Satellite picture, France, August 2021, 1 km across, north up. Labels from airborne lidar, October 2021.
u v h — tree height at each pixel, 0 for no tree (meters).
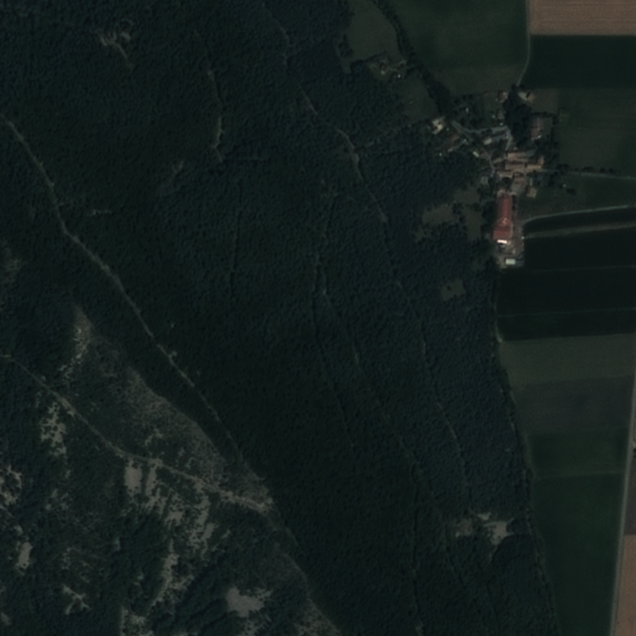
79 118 23
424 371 18
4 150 21
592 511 0
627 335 0
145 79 19
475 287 13
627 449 0
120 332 11
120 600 9
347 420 13
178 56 20
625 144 0
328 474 15
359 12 0
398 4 0
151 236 15
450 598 16
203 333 24
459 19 0
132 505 7
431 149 12
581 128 0
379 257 21
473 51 0
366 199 10
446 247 15
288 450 15
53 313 12
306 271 22
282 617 9
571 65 0
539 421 0
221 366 14
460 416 15
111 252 11
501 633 10
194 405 13
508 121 14
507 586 20
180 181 25
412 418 16
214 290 19
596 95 0
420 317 22
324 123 24
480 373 21
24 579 12
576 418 0
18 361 16
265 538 7
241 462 7
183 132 17
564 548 0
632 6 0
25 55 15
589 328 0
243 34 15
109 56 11
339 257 18
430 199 12
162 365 14
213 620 22
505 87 0
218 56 16
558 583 0
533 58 0
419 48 0
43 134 14
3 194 13
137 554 24
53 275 10
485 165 7
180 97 17
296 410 16
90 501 7
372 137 17
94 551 8
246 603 0
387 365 16
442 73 7
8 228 12
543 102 0
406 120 10
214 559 9
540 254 0
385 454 18
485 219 13
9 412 16
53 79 16
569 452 0
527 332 0
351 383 20
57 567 8
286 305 18
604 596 0
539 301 0
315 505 17
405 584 12
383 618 21
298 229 18
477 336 19
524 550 20
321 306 22
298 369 12
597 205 0
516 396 0
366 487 14
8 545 6
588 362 0
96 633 15
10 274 8
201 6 18
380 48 0
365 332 15
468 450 17
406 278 21
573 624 0
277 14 19
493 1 0
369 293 25
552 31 0
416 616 16
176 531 8
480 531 14
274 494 9
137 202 15
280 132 15
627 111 0
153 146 14
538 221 0
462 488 13
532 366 0
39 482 17
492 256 6
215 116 13
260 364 16
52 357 15
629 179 0
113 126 19
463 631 12
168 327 9
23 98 12
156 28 17
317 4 15
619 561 0
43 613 18
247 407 14
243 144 19
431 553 20
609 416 0
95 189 13
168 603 15
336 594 15
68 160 21
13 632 11
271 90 22
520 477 14
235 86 17
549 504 0
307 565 15
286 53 15
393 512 18
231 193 16
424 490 8
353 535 15
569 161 0
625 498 0
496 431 15
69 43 17
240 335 20
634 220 0
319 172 16
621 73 0
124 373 8
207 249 15
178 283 13
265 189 15
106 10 13
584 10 0
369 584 23
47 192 15
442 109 19
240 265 22
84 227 14
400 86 6
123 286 6
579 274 0
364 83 24
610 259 0
